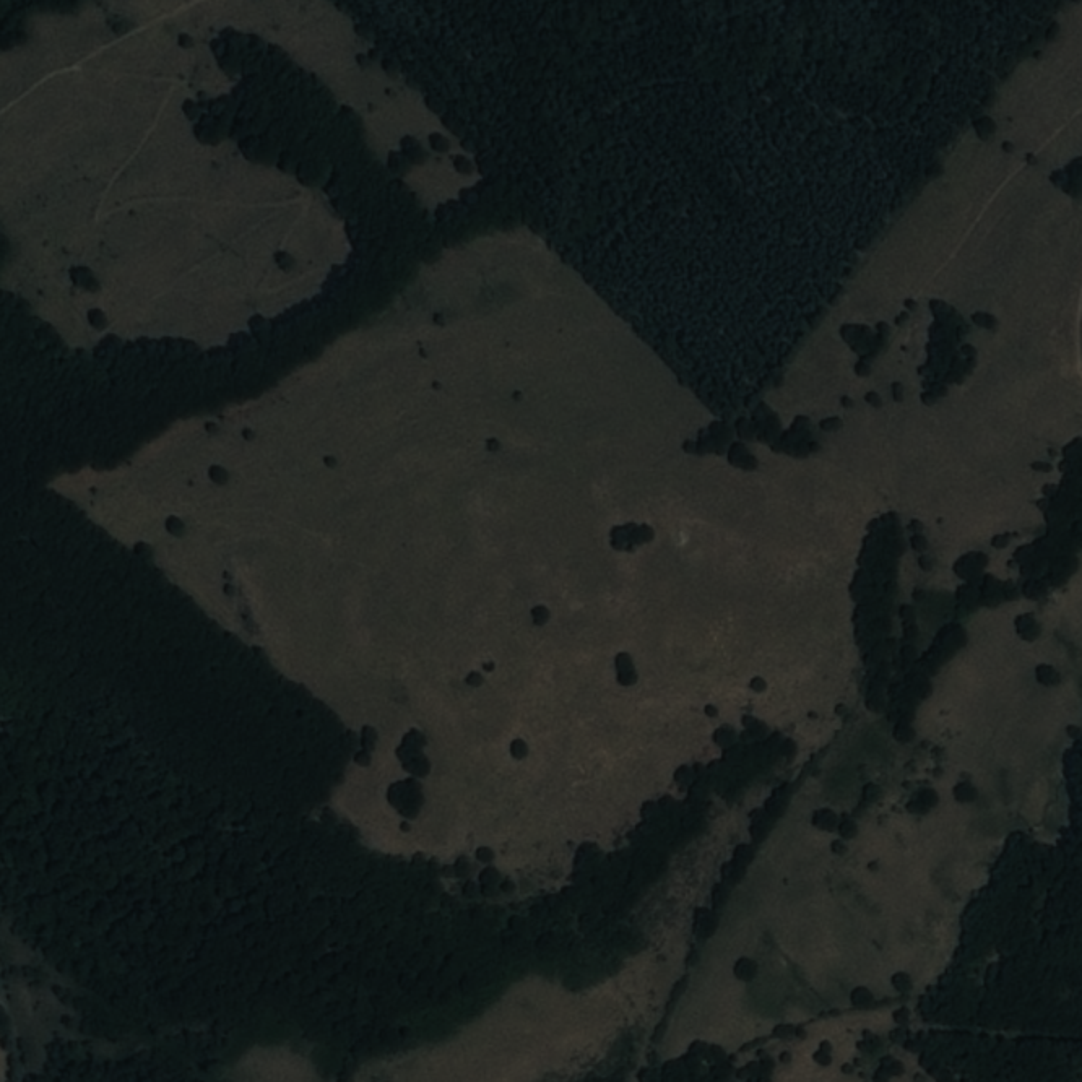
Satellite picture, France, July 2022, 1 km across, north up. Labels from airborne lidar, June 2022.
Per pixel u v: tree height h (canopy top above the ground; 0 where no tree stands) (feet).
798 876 0
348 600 0
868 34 72
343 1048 18
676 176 71
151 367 76
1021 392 0
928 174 40
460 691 0
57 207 0
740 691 0
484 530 0
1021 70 0
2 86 0
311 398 0
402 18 79
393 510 0
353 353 0
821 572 0
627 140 37
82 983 28
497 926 32
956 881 0
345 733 34
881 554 62
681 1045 0
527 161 40
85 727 86
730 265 83
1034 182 0
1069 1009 56
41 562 62
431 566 0
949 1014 42
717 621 0
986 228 0
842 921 0
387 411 0
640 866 70
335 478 0
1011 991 56
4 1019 63
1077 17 0
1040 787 0
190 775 50
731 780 60
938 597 0
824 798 0
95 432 67
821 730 0
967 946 47
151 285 0
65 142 0
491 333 0
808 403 0
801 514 0
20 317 62
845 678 0
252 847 74
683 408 0
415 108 0
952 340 30
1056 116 0
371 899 62
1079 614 0
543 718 0
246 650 52
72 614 59
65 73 0
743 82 37
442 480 0
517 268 0
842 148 74
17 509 70
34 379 68
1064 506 59
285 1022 17
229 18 0
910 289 0
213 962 86
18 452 78
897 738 35
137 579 68
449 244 58
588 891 46
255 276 0
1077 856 72
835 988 0
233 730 73
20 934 24
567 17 62
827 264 79
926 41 55
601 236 35
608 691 0
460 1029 0
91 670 75
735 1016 0
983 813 0
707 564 0
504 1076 0
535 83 60
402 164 57
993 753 0
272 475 0
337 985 68
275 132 73
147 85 0
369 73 0
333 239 0
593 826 0
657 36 62
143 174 0
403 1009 24
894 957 0
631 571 0
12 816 41
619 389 0
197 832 61
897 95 38
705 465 0
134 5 0
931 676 52
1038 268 0
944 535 0
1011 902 50
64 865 84
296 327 70
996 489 0
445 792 0
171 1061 26
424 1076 0
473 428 0
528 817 0
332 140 69
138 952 61
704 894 0
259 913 57
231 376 61
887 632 51
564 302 0
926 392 18
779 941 0
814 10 80
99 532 56
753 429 33
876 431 0
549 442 0
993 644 0
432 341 0
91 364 53
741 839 0
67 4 52
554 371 0
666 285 66
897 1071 37
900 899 0
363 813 0
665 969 0
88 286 52
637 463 0
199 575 0
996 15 44
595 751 0
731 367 58
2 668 52
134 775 74
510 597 0
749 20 77
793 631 0
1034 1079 61
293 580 0
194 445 0
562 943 25
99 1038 18
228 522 0
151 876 79
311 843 58
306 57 0
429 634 0
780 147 73
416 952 31
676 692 0
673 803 49
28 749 81
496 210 56
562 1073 0
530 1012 0
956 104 64
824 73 73
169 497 0
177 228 0
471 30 64
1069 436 0
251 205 0
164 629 80
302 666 0
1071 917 66
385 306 41
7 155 0
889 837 0
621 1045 0
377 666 0
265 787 55
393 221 77
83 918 60
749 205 67
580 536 0
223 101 42
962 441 0
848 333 46
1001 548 42
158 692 71
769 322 79
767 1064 44
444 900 23
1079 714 0
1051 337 0
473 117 62
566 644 0
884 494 0
